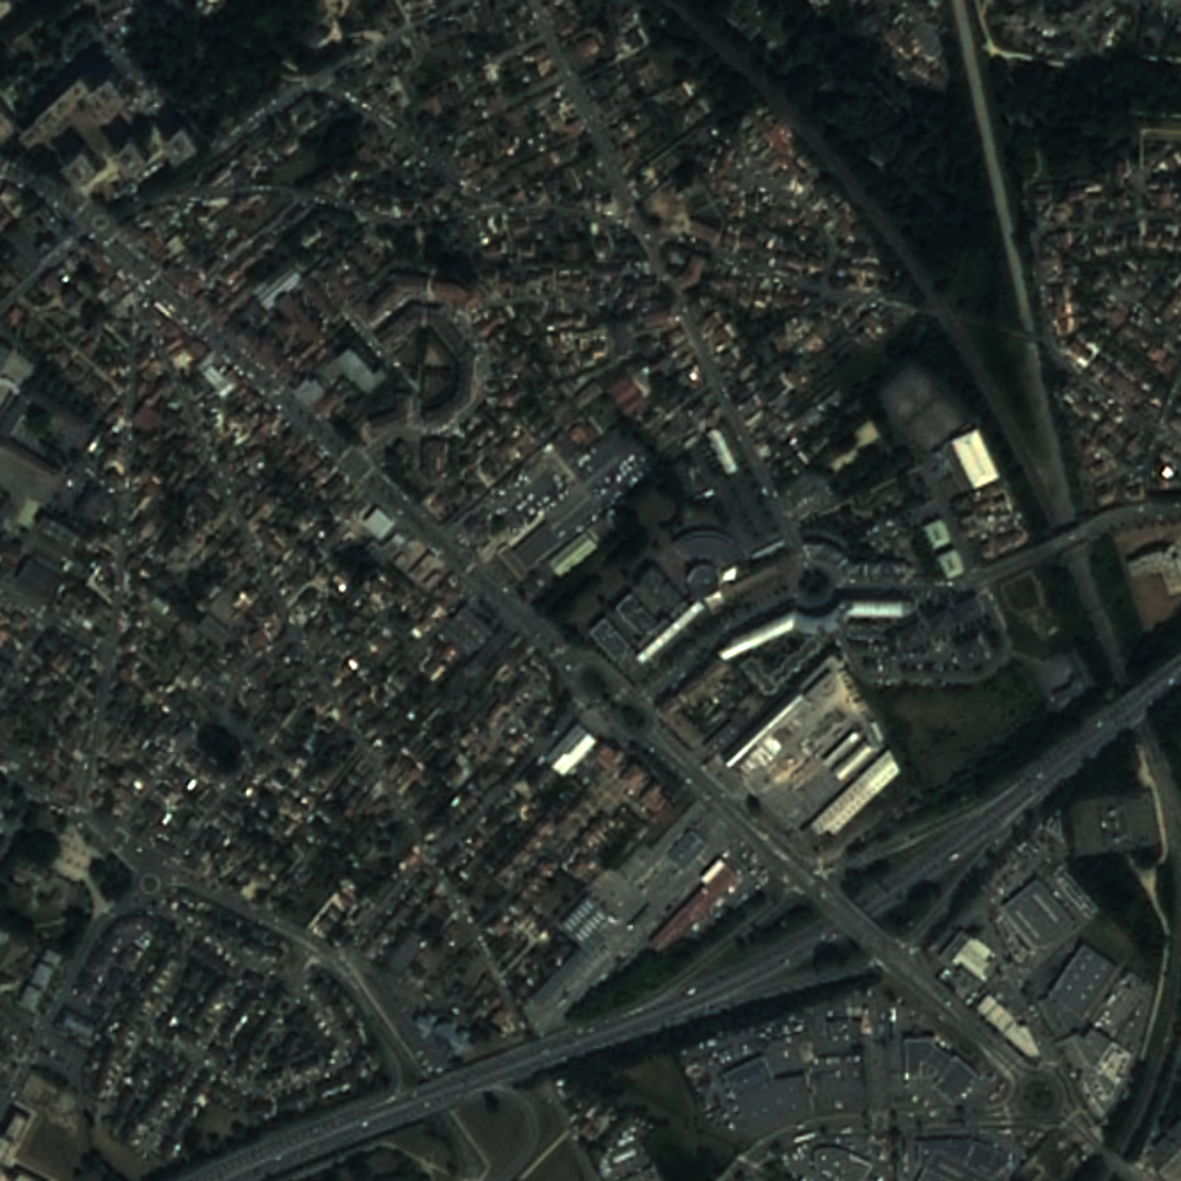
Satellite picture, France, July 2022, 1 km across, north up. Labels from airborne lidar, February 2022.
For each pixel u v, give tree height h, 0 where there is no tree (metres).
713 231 0
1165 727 14
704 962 0
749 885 0
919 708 0
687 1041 6
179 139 0
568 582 11
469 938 0
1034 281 9
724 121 12
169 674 0
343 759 5
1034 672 0
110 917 0
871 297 0
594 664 0
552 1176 0
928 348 13
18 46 0
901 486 8
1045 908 0
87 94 0
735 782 0
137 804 0
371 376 0
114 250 0
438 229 10
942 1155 0
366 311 0
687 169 11
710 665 0
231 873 0
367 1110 0
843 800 0
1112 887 8
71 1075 0
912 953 0
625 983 13
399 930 6
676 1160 0
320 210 6
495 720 0
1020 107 13
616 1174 0
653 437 0
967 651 0
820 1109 0
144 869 0
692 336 0
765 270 0
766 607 0
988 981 0
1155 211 5
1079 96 19
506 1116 0
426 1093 0
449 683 7
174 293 0
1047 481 0
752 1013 11
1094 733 0
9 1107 0
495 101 0
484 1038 8
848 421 12
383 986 0
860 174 13
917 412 0
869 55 14
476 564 0
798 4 20
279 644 0
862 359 0
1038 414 0
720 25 16
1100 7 0
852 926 0
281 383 0
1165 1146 0
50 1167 0
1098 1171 12
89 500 0
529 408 7
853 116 15
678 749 0
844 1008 0
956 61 16
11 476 0
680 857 0
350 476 0
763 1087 0
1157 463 7
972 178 17
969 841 0
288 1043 0
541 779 0
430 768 11
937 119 15
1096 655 7
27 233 0
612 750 0
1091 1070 0
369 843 7
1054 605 0
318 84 0
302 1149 0
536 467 0
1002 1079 0
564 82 0
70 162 0
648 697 0
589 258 7
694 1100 5
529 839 0
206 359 0
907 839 0
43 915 0
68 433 0
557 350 9
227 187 0
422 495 8
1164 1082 8
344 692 0
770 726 0
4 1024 0
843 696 0
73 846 0
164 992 0
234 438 0
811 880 0
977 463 0
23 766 0
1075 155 9
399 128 0
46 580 0
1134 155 9
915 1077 0
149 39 16
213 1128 0
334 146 12
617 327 0
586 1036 0
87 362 0
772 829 0
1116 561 6
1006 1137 0
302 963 0
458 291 0
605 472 0
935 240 15
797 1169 0
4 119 0
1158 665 8
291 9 14
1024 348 0
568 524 0
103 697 0
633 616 0
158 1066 10
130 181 16
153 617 0
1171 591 0
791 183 0
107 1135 0
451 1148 9
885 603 0
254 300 0
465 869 0
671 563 0
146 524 0
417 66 0
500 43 6
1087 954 0
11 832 0
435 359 0
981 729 0
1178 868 0
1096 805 0
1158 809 0
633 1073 0
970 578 0
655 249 0
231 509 0
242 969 0
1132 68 19
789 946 0
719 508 8
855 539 7
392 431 0
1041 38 0
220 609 0
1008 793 0
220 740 9
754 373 6
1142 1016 0
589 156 17
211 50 19
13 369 0
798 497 0
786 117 0
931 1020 0
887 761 0
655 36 10
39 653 10
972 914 0
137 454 7
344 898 0
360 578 15
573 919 0
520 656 0
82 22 9
